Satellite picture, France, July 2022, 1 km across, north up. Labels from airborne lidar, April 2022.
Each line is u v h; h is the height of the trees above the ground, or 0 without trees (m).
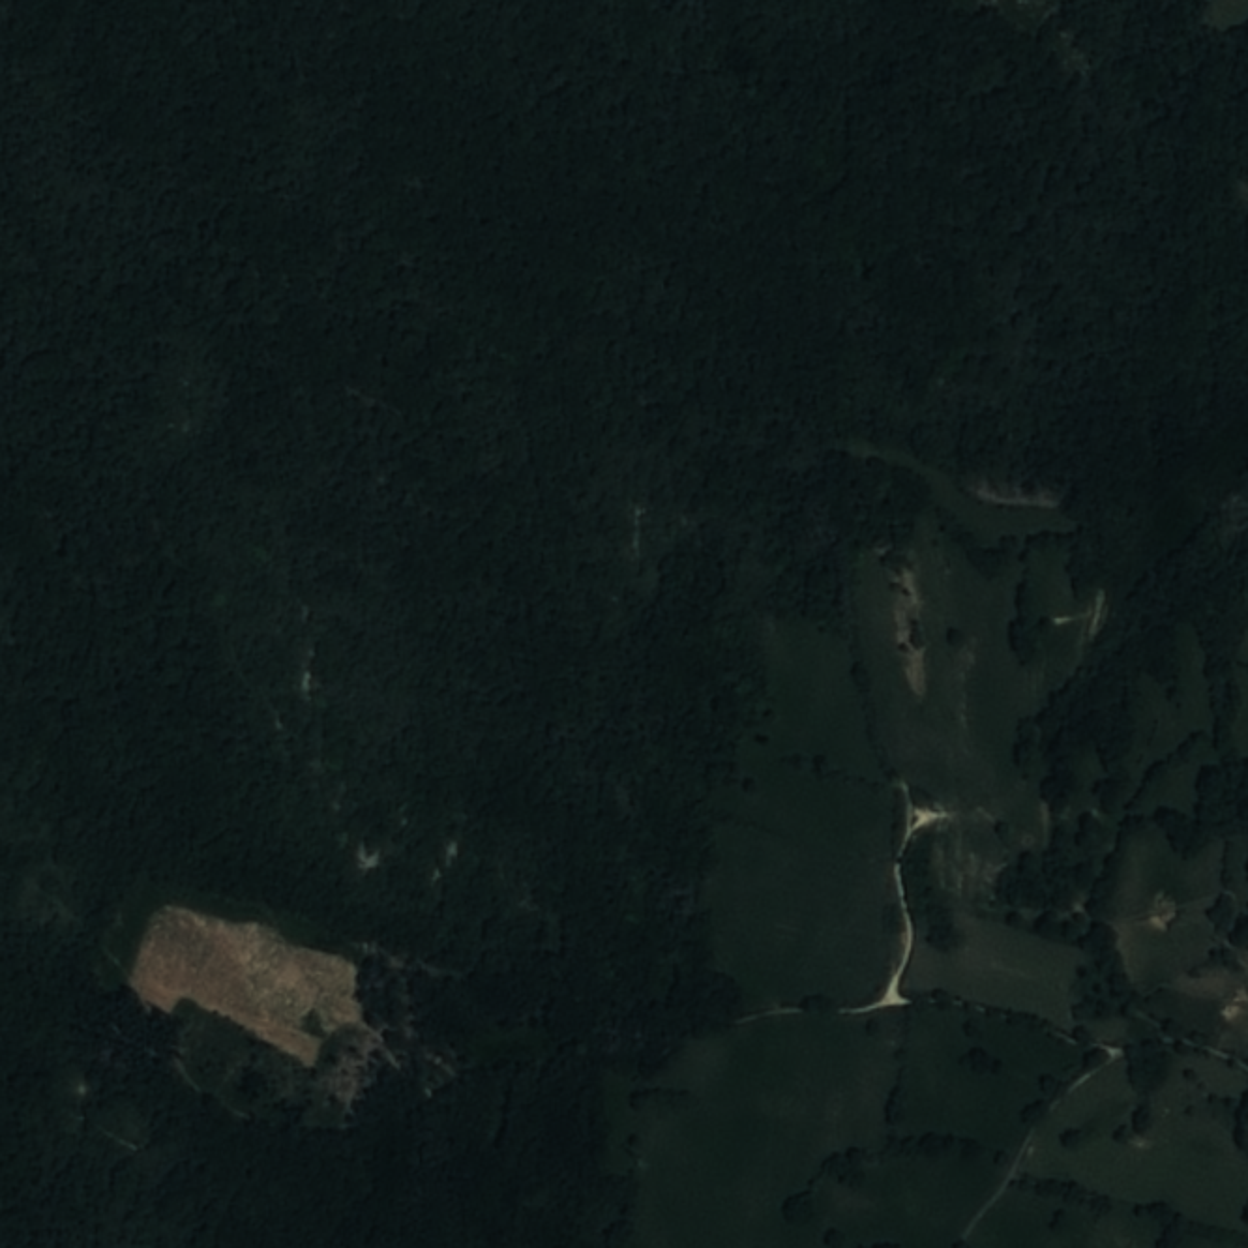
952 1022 0
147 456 9
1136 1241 0
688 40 15
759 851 0
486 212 16
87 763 8
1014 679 0
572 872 16
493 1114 19
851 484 19
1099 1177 0
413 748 6
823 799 0
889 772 5
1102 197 18
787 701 0
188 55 19
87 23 17
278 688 9
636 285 11
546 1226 18
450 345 13
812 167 18
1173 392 15
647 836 16
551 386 14
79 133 12
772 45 9
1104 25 6
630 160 15
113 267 10
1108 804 12
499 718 16
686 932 18
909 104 15
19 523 21
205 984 0
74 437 16
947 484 0
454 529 15
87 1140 8
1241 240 16
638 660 9
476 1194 20
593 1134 15
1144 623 8
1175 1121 0
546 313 14
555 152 20
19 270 10
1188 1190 0
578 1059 15
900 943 0
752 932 0
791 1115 0
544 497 11
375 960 12
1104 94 14
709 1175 0
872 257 23
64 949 6
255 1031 0
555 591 12
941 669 0
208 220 11
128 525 12
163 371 10
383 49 16
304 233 14
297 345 14
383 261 12
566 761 12
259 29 17
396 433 13
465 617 10
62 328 13
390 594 7
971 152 19
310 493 8
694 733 14
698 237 18
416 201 14
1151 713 0
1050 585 0
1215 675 12
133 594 15
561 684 19
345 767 6
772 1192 0
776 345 20
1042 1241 0
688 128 19
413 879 6
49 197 7
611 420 9
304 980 0
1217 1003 0
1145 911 0
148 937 0
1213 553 12
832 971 0
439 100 18
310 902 13
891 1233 0
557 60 15
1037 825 0
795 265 18
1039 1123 16
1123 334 15
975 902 0
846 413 16
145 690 22
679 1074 0
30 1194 8
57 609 18
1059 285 7
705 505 13
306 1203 19
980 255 15
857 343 16
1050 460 17
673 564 10
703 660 13
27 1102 12
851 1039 0
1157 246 17
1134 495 19
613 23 14
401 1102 23
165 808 17
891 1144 10
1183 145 17
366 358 18
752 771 0
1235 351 15
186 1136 12
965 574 0
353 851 6
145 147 16
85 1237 12
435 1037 21
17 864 8
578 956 15
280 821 7
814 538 18
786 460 12
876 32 16
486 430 12
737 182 17
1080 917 10
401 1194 10
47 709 10
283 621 7
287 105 16
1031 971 0
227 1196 17
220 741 18
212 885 15
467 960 11
